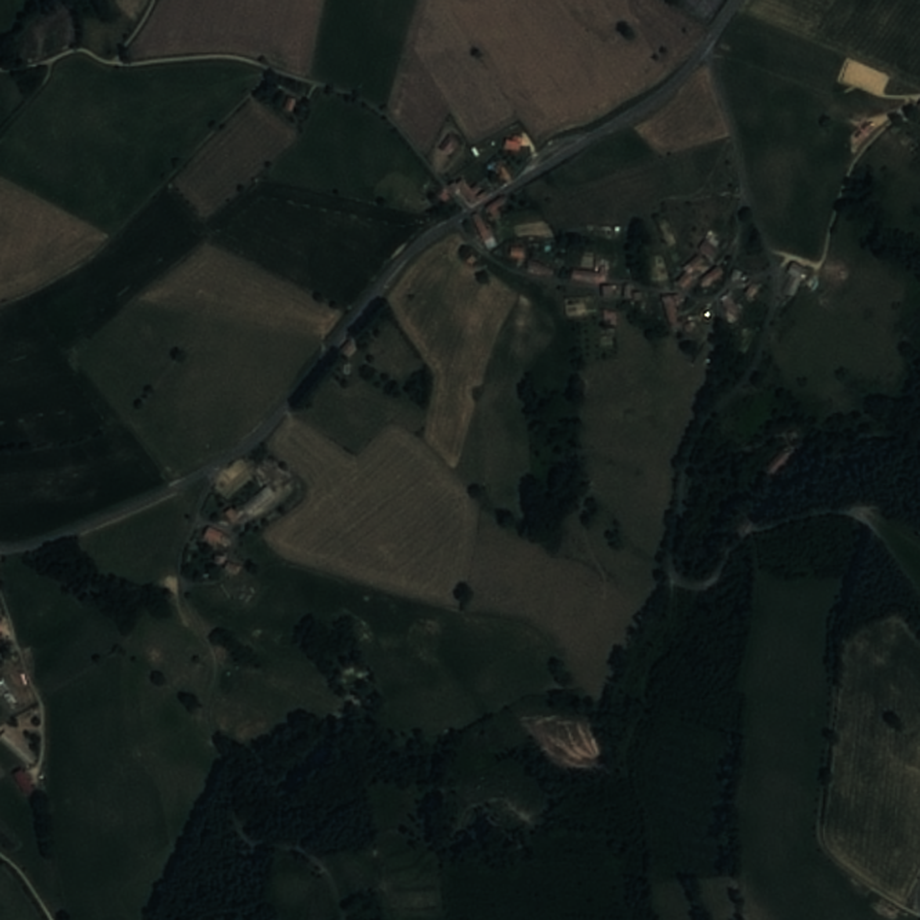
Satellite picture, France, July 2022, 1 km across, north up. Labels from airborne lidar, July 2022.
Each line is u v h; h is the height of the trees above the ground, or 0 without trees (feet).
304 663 0
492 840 94
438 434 0
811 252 0
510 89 0
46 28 0
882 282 0
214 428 0
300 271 0
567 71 0
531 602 0
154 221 0
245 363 0
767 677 0
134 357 0
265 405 0
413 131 0
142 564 0
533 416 68
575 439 21
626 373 0
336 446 0
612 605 0
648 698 37
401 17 0
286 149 0
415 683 0
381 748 57
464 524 0
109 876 0
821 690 0
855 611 59
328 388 0
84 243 0
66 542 40
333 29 0
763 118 0
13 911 0
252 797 91
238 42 0
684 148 0
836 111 0
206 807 75
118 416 0
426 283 0
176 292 0
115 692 0
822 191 0
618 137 0
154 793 0
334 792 98
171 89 0
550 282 0
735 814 47
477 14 0
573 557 0
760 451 20
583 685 0
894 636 0
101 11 106
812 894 0
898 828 0
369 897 40
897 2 0
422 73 0
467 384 0
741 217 39
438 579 0
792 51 0
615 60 0
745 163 0
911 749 0
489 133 0
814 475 117
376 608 0
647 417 0
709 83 0
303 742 94
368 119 0
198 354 0
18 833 0
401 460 0
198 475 0
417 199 0
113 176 0
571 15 0
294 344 0
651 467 0
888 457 78
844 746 0
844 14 0
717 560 89
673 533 36
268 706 0
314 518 0
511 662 0
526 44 0
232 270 0
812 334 0
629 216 0
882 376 0
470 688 0
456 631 0
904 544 0
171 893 73
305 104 43
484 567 0
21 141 0
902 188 0
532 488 93
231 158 0
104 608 26
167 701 0
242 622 0
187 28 0
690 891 62
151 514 0
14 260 0
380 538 0
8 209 0
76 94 0
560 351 0
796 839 0
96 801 0
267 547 0
